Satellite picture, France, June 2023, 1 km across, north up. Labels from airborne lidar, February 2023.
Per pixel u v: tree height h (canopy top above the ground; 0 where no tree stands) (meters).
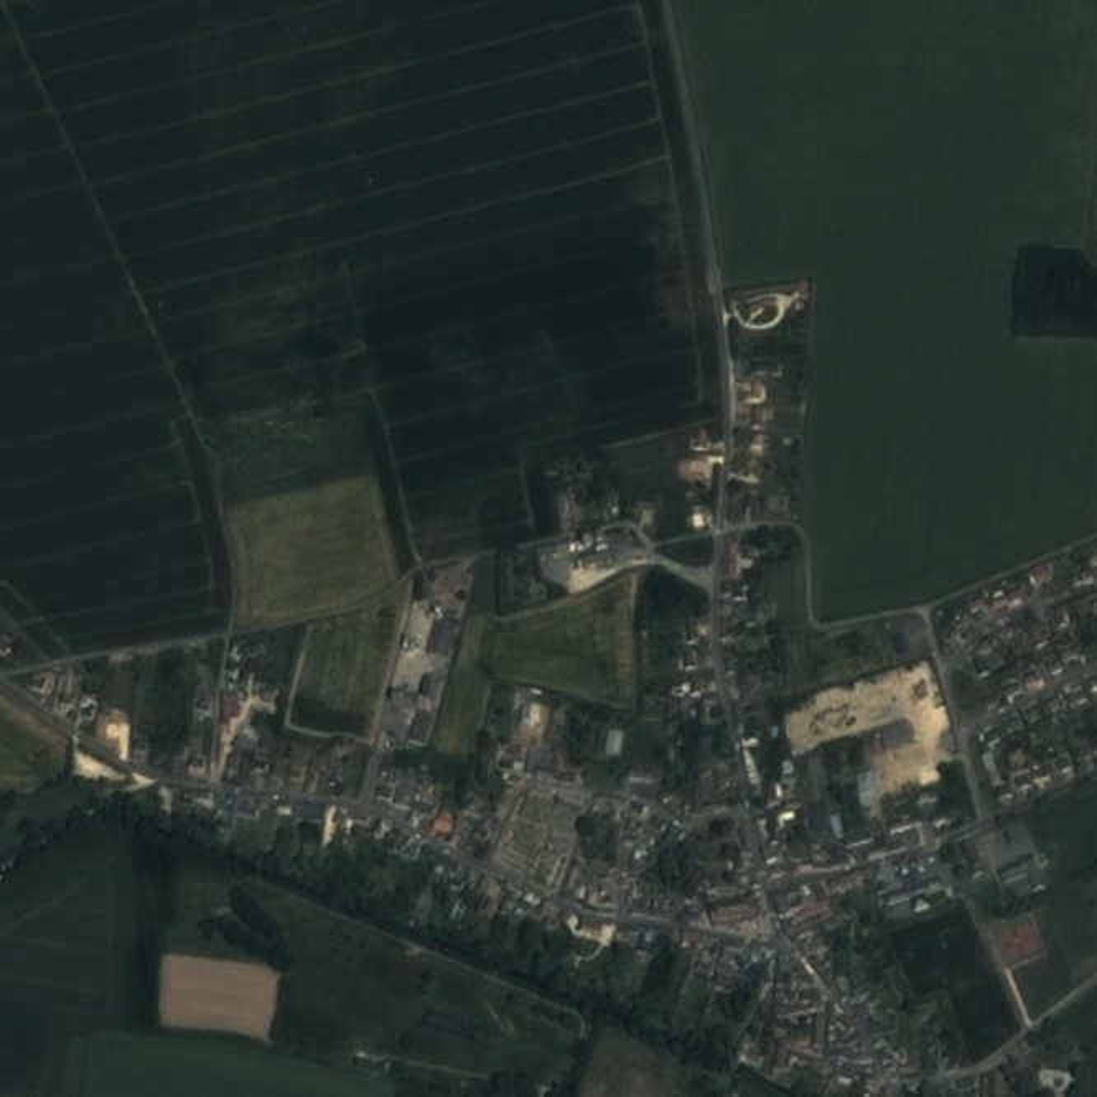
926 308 0
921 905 7
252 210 0
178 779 0
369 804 0
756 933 0
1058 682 0
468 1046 0
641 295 0
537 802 0
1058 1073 0
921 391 0
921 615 0
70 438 0
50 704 0
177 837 6
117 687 0
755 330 0
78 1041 0
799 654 0
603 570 0
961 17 0
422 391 0
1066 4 0
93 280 0
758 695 0
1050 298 15
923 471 0
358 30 0
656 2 0
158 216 0
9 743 0
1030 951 0
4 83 0
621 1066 0
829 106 0
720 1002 11
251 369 0
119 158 0
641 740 0
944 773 7
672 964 9
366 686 0
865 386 0
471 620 0
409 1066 0
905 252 0
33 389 0
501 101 0
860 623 0
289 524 0
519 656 0
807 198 0
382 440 0
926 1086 11
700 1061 18
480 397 0
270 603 0
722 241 0
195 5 0
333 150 0
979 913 0
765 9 0
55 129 0
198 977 0
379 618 0
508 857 0
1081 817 0
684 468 0
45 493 0
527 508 0
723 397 0
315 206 0
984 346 0
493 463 0
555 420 0
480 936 12
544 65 0
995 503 0
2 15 0
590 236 0
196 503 0
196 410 0
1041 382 0
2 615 0
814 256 0
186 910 0
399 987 0
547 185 0
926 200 0
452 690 0
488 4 0
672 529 0
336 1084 0
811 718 0
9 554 0
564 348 0
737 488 10
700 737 9
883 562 0
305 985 0
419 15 0
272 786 0
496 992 0
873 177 0
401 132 0
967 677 0
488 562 0
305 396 0
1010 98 0
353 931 0
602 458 6
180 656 6
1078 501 0
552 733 0
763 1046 9
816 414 0
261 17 0
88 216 0
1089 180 0
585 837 14
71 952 0
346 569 0
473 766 6
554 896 0
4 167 0
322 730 0
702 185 0
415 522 0
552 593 14
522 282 0
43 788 9
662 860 9
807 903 0
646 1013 11
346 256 0
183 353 0
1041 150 0
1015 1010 0
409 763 12
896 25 0
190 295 0
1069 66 0
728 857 12
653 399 0
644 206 0
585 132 0
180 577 0
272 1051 0
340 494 0
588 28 0
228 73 0
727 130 0
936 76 0
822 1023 0
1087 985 0
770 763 0
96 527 0
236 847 6
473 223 0
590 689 0
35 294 0
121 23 0
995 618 0
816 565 0
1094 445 0
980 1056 0
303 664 0
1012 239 0
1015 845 9
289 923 0
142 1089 0
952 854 12
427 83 0
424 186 0
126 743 0
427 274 0
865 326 0
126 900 0
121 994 0
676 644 0
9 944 0
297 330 0
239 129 0
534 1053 0
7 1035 0
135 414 0
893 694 0
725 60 0
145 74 0
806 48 0
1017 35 0
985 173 0
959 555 0
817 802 0
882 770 0
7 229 0
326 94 0
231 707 0
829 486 0
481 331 0
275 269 0
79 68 0
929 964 0
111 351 0
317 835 10
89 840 0
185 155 0
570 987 19
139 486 0
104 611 0
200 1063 0
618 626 0
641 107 0
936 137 0
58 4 0
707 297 0
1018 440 0
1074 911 0
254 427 0
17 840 0
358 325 0
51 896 0
